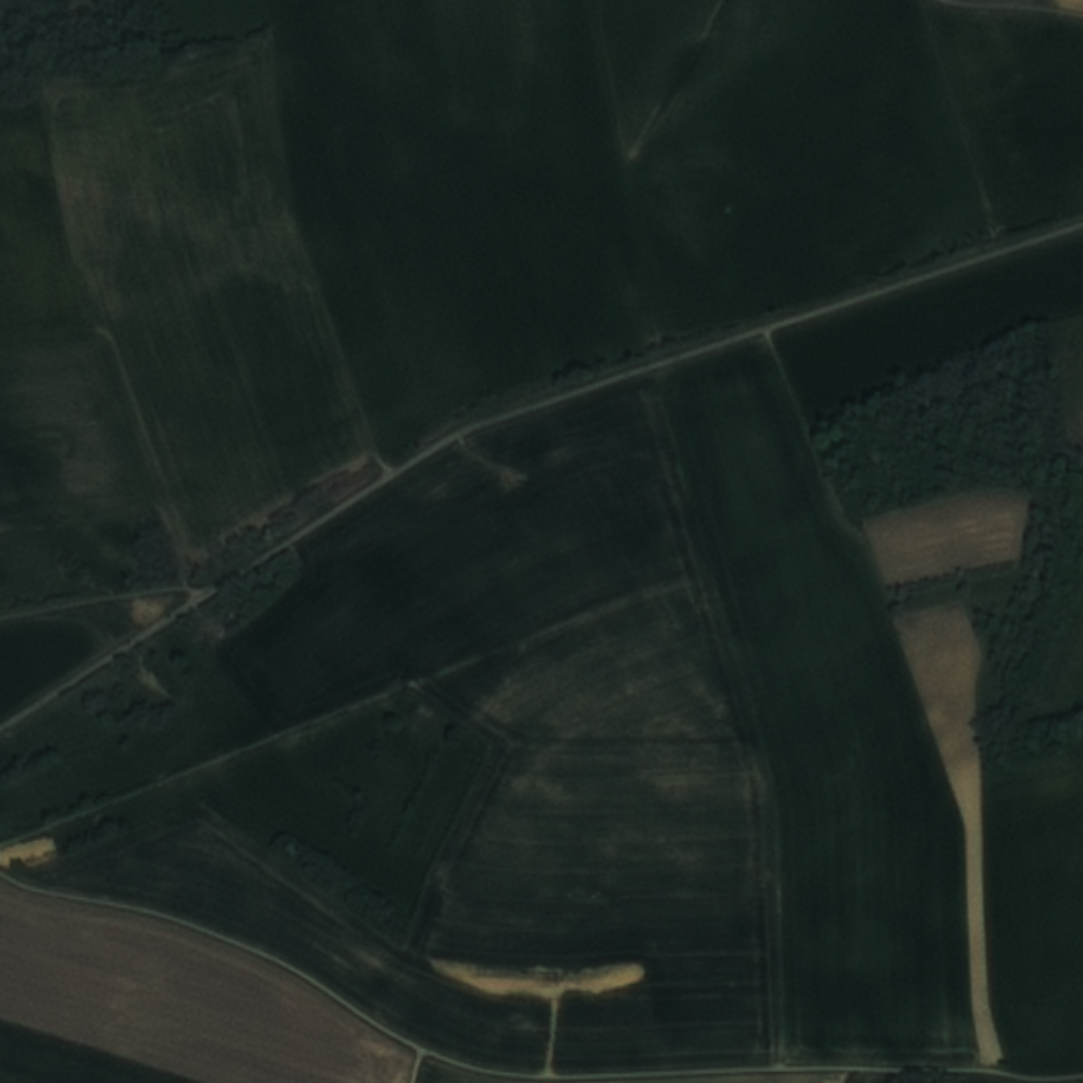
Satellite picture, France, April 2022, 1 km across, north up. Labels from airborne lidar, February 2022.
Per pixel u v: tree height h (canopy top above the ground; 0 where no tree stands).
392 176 0
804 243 0
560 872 0
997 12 0
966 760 0
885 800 0
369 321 0
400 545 0
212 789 0
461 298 0
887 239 0
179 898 0
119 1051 0
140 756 0
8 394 0
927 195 0
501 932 0
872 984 0
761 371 0
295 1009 0
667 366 0
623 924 0
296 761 0
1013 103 0
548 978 0
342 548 0
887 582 0
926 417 12
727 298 0
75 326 0
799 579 0
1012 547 0
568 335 0
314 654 0
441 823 0
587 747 0
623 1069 0
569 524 0
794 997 0
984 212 0
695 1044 0
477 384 0
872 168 0
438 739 0
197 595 0
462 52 0
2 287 0
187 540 0
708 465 0
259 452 0
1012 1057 0
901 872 0
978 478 9
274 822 0
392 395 0
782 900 0
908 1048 0
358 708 0
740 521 0
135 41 19
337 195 0
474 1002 0
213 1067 0
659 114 0
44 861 0
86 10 8
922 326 0
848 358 0
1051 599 16
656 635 0
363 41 0
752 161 0
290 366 0
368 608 0
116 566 0
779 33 0
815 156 0
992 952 0
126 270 0
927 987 0
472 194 0
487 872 0
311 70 0
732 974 0
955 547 0
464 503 0
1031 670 10
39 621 0
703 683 0
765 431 0
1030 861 0
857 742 0
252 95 0
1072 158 0
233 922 0
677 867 0
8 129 0
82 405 0
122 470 0
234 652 0
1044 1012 0
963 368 22
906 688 0
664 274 0
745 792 0
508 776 0
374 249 0
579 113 0
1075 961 0
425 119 0
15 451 0
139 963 0
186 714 0
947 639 0
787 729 0
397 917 6
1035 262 0
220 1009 0
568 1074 0
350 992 0
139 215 0
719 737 0
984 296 0
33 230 0
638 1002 0
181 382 0
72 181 0
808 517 0
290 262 0
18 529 0
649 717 0
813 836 0
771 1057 0
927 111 0
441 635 0
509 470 0
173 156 0
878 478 6
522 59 0
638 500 0
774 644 0
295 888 0
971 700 0
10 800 0
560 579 0
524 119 0
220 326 0
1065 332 0
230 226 0
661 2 0
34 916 0
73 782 0
